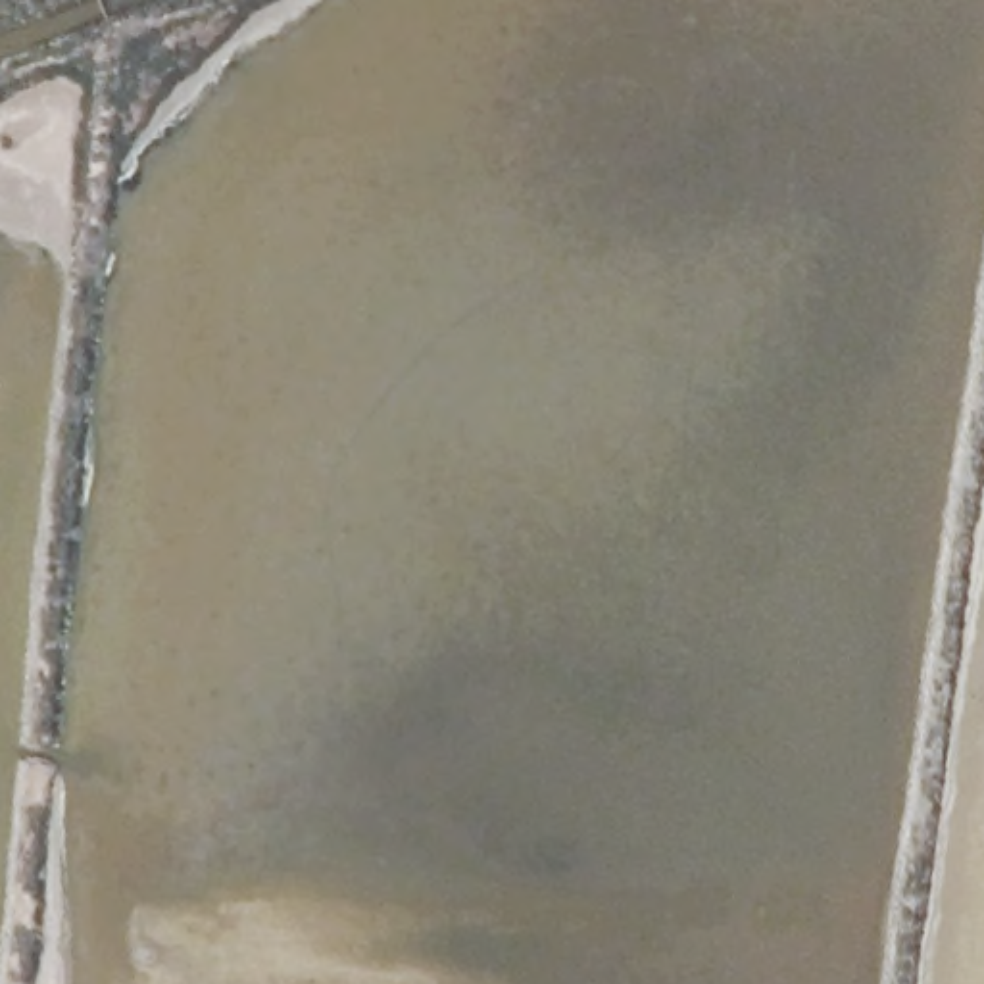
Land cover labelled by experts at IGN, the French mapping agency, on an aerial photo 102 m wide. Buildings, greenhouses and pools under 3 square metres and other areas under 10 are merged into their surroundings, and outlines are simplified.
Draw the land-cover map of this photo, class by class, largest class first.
<instances>
[{"label":"water","instance_id":"1","mask_svg":"<svg viewBox=\"0 0 984 984\"><path fill-rule=\"evenodd\" d=\"M108 15L115 19L177 8V0H104ZM142 188L119 204L115 223L123 227V250L115 254L111 273L127 288V300L104 319V338L96 342L100 381L88 392L92 415L81 488V630L77 653L69 657L65 673V726L62 734H46L38 726V746H19V703L62 277L46 246L12 242L8 234H0V919L15 769L19 761H42L50 769L62 773L65 784V984H146V976L135 969L127 942L135 907L188 911L204 903H269L284 896L346 899L354 907H404L415 915V930L423 934L415 969L492 972L507 984H880L884 911L907 800L934 565L942 546V511L957 442L984 254V0H319L277 35L242 50L219 73V81L204 88L188 115L146 146L135 177ZM972 719L984 723V600L965 707Z\"/></svg>","mask_w":984,"mask_h":984},{"label":"pervious surface","instance_id":"2","mask_svg":"<svg viewBox=\"0 0 984 984\"><path fill-rule=\"evenodd\" d=\"M319 0H277L250 15L231 42H223L188 81H181L169 92V100L154 111L150 127L131 142L123 158V181L135 177L146 146L188 115L204 88L219 81V73L242 50L277 35ZM81 88L62 77L23 88L0 104V234H8L12 242L46 246L62 277L19 703V746H38V726L42 688L50 677V661L42 657V619L50 592L54 480L65 427V373L73 346L81 261L69 246L73 200V135ZM984 407V254L957 442L942 511V546L934 565L907 800L884 911L880 984H896L903 911L915 907V896L907 892V873L915 865V830L926 823L923 780L934 773L938 761V746H926V738L938 723L934 680L946 673V596L949 577L957 573L961 504L972 484V423ZM984 600V500L972 550L965 650L957 673L949 769L942 792V826L930 873V911L923 926L919 984H984V723L972 719L965 707ZM50 769L42 761H19L15 769L0 919V984H23L15 930L31 926V892L23 888V865L31 857L27 815L42 803ZM65 784L54 792L50 811L46 934L35 984H65ZM423 934L415 930V915L404 907H354L346 899L284 896L269 903H204L188 911L135 907L127 942L135 969L146 976V984H507L492 972L415 969Z\"/></svg>","mask_w":984,"mask_h":984},{"label":"brushwood","instance_id":"3","mask_svg":"<svg viewBox=\"0 0 984 984\"><path fill-rule=\"evenodd\" d=\"M115 19L108 15L104 0H0V104L23 88L62 77L81 88L73 135V200H88L92 46L100 38V27ZM277 0H177V8H192L188 15L142 31L127 38L119 50V81L108 92V196L100 227H92L81 261L73 346L65 373V427L54 480L50 592L42 619V657L50 661V677L42 688L38 726L46 734H62L65 726V673L69 657L77 653L81 630V488L92 415L88 392L100 381L96 342L104 338V319L127 300V288L111 273L115 254L123 250V227L115 223L119 204L142 188L135 177L123 181V158L131 142L150 127L154 111L169 100V92L181 81H188L223 42H231L250 15ZM984 500V407L972 423V484L961 504L957 573L949 577L946 596V673L934 680L938 723L926 738V746H938V761L934 773L923 780L926 823L915 830V865L907 873V892L915 896V907L903 911L896 984H919L923 926L930 911V873L942 826V792L949 769L957 673L965 650L972 550ZM65 784L62 773L50 769L42 803L27 815L31 857L23 865V888L31 892V926L15 930L23 984H35L46 934L50 811L54 792Z\"/></svg>","mask_w":984,"mask_h":984},{"label":"herbaceous vegetation","instance_id":"4","mask_svg":"<svg viewBox=\"0 0 984 984\"><path fill-rule=\"evenodd\" d=\"M192 8H177L115 19L100 27V38L92 46L88 200H73L69 246L81 261L92 227H100L108 196V92L119 81V50L127 38L142 31L188 15Z\"/></svg>","mask_w":984,"mask_h":984}]
</instances>
